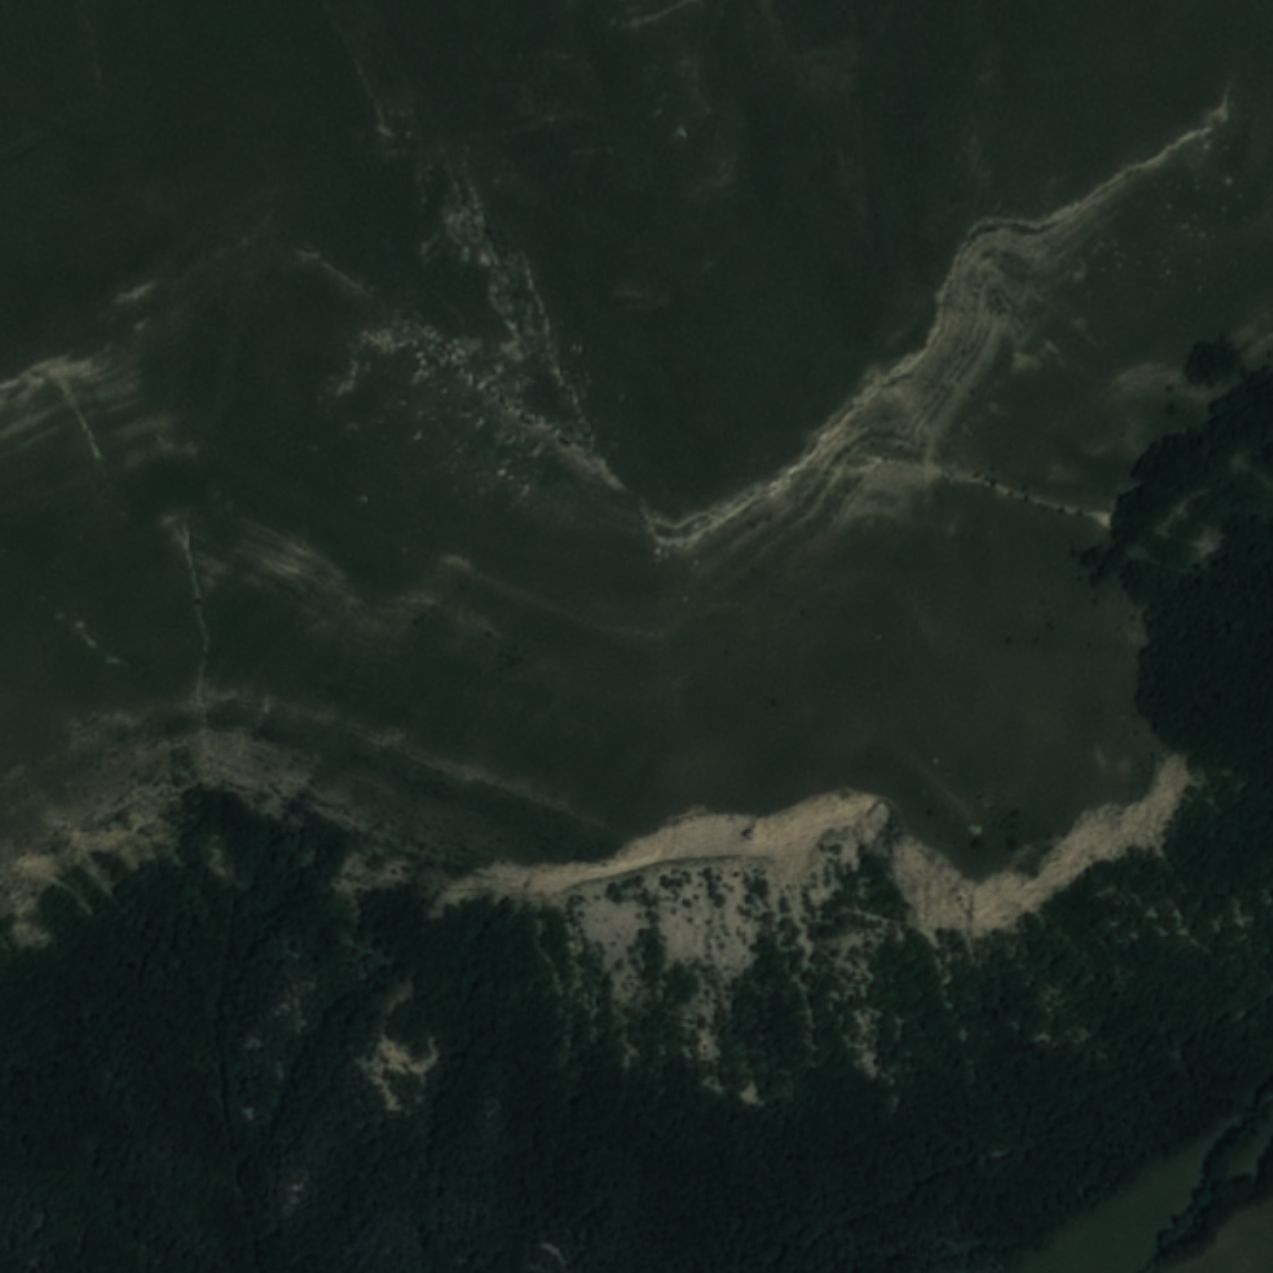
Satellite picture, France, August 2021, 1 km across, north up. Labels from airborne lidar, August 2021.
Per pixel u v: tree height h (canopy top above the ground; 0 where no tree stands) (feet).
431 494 0
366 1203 48
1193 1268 0
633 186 0
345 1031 48
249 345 0
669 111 0
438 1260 59
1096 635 0
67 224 0
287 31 0
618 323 0
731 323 0
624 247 0
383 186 0
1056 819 0
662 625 0
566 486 0
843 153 0
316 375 0
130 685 0
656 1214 66
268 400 0
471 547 0
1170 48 0
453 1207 48
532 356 0
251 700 0
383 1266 33
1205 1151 0
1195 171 0
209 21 0
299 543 0
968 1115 51
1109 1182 52
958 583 0
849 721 0
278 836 26
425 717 0
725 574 0
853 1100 46
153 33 0
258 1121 32
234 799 23
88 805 0
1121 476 0
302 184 0
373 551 0
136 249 0
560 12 0
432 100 0
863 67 0
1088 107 0
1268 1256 0
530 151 0
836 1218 48
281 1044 29
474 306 0
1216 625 82
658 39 0
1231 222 0
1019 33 0
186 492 0
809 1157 64
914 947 31
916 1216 63
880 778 0
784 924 30
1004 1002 49
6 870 0
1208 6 0
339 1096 42
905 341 0
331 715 0
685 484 0
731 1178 78
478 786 0
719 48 0
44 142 0
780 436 0
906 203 0
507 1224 52
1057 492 0
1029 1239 42
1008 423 0
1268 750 73
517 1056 60
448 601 0
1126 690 0
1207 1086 61
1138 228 0
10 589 0
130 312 0
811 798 0
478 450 0
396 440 0
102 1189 52
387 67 0
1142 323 0
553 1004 36
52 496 0
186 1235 31
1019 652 0
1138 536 33
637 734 0
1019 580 0
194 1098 59
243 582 0
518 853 0
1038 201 0
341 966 23
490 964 46
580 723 0
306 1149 45
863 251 0
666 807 0
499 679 0
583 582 0
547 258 0
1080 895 36
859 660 0
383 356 0
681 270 0
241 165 0
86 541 0
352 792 0
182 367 0
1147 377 0
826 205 0
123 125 0
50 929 23
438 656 0
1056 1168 55
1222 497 27
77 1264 52
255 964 31
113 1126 60
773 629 0
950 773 0
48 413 0
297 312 0
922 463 0
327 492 0
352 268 0
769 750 0
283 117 0
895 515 0
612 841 0
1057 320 0
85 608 0
